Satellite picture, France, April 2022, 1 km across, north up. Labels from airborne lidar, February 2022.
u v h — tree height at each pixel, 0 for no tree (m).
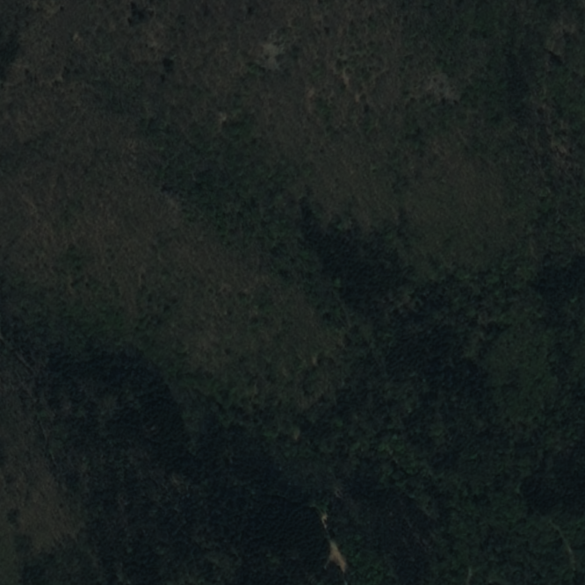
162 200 9
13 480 16
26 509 17
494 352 19
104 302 23
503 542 24
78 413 31
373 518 26
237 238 25
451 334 33
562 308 25
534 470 23
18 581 22
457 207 20
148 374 46
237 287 14
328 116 11
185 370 10
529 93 30
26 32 7
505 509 27
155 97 27
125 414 22
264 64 7
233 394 27
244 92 13
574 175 32
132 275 15
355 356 27
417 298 13
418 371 26
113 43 28
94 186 19
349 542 23
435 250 23
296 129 16
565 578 21
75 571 21
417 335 25
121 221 14
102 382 26
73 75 7
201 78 22
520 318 21
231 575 20
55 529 19
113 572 19
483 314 14
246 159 31
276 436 26
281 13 16
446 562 23
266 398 24
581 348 20
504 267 26
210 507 32
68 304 18
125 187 16
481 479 23
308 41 14
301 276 27
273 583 23
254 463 26
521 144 28
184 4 21
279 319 19
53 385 26
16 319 28
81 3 15
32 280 17
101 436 31
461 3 32
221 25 15
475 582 14
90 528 25
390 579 22
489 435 27
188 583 27
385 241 21
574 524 24
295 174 12
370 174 18
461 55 17
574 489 21
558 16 26
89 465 27
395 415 30
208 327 20
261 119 13
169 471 28
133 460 31
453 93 7
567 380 23
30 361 26
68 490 18
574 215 30
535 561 26
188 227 12
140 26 17
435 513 24
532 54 29
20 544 19
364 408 27
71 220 16
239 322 17
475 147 18
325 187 19
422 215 21
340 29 13
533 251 24
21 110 15
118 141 18
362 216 17
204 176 26
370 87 7
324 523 13
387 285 27
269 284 15
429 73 12
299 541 28
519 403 25
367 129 15
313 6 12
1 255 18
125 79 32
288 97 19
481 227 20
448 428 26
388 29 16
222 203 14
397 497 25
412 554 27
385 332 28
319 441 24
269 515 27
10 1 16
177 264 16
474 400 26
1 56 13
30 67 7
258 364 22
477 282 27
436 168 22
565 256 25
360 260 28
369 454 26
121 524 33
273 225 34
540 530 24
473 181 16
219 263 14
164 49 8
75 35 10
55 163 18
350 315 34
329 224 24
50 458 17
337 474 29
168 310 19
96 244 20
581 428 23
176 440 33
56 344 22
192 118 29
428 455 25
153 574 26
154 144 22
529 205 23
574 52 26
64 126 13
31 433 16
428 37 18
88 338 30
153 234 14
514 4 28
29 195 17
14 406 18
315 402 20
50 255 17
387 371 29
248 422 30
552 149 31
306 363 29
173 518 38
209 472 24
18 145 24
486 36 31
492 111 26
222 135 8
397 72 18
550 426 21
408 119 15
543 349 22
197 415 28
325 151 17
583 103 31
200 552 36
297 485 28
